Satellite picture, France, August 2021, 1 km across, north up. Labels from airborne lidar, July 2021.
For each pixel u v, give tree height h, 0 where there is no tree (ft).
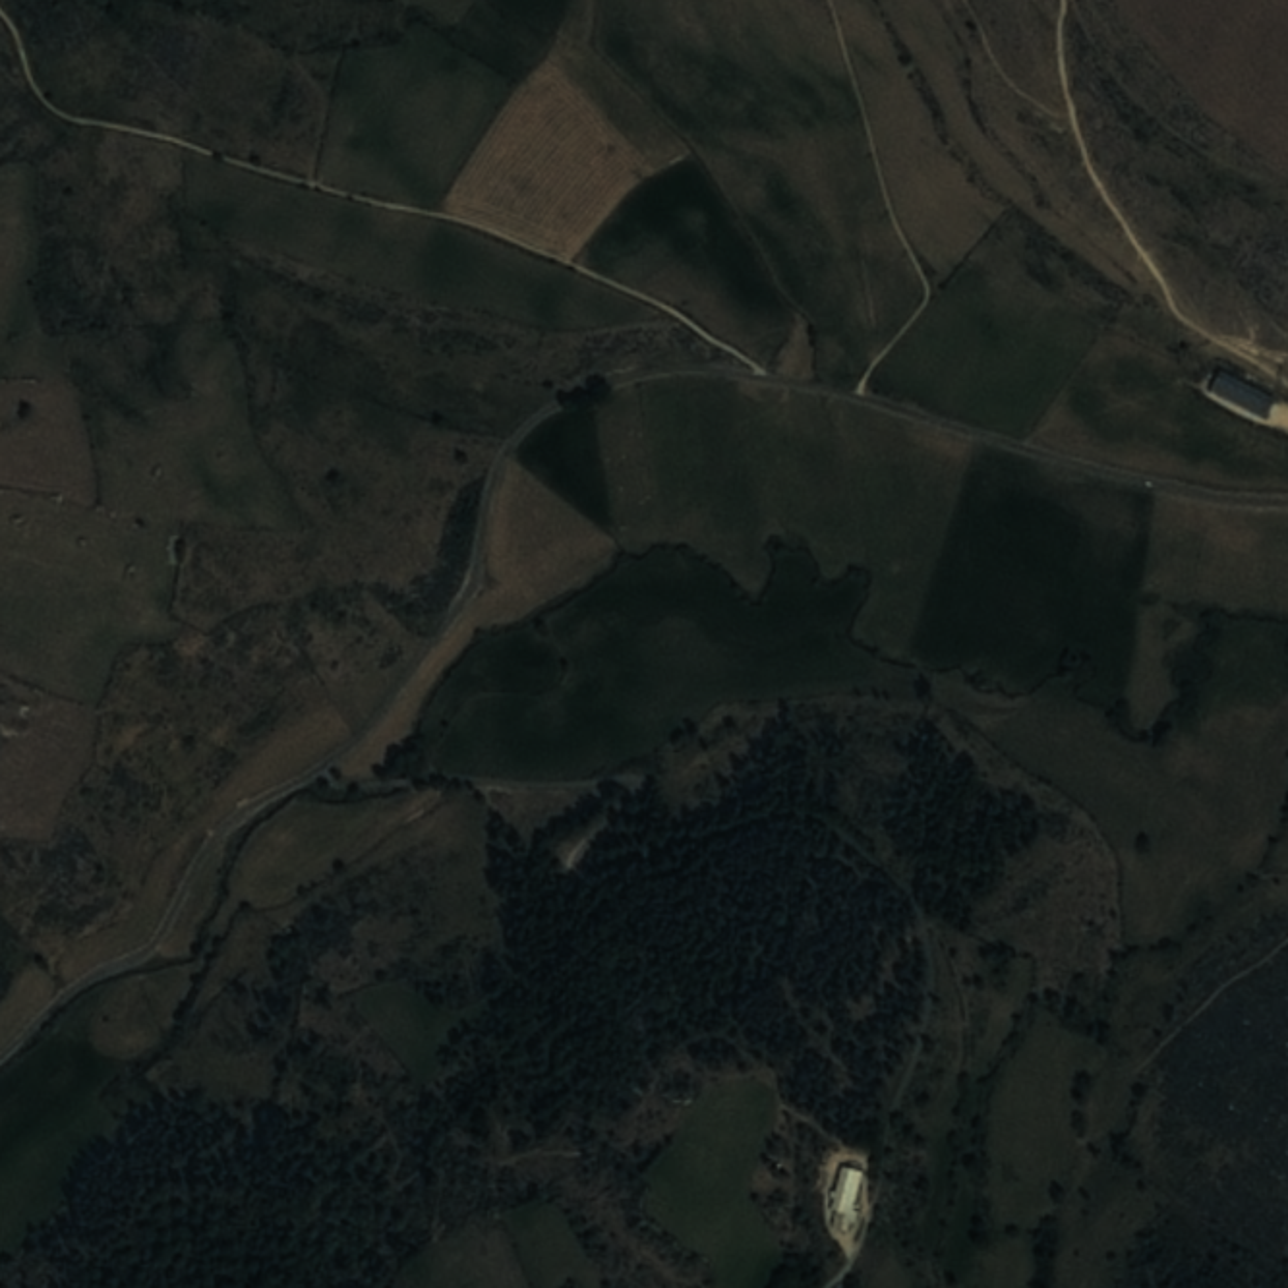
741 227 0
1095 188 0
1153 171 0
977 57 0
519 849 71
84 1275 39
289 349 0
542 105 0
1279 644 0
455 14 0
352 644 0
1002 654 0
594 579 0
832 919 34
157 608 0
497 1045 25
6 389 0
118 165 0
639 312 0
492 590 0
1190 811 0
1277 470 0
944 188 0
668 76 0
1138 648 0
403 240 0
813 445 0
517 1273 0
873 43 0
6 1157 0
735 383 0
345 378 0
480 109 0
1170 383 0
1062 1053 0
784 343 0
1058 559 0
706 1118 0
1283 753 0
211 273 0
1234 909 0
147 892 0
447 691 0
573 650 0
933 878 22
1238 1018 0
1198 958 0
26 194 0
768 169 0
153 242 0
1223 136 0
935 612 0
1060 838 0
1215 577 0
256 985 0
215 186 0
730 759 0
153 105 0
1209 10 0
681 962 44
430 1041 0
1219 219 0
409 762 35
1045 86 0
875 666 0
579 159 0
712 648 0
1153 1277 0
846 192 0
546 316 0
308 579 0
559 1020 64
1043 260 0
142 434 0
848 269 0
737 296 0
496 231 0
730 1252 0
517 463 0
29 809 0
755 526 0
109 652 0
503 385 0
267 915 0
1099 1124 0
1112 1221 0
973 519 0
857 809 0
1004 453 0
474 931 0
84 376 0
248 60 0
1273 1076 0
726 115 0
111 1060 0
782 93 0
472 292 0
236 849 0
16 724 0
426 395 0
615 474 0
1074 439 0
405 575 0
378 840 0
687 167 0
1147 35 0
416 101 0
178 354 0
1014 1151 0
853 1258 0
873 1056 44
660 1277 0
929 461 0
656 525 0
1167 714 0
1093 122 0
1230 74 0
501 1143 0
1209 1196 0
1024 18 0
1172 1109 0
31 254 0
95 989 0
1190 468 0
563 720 0
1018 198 0
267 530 0
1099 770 0
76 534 0
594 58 0
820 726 0
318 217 0
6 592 0
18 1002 0
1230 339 0
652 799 42
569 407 54
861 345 0
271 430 0
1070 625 0
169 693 0
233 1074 0
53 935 0
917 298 0
